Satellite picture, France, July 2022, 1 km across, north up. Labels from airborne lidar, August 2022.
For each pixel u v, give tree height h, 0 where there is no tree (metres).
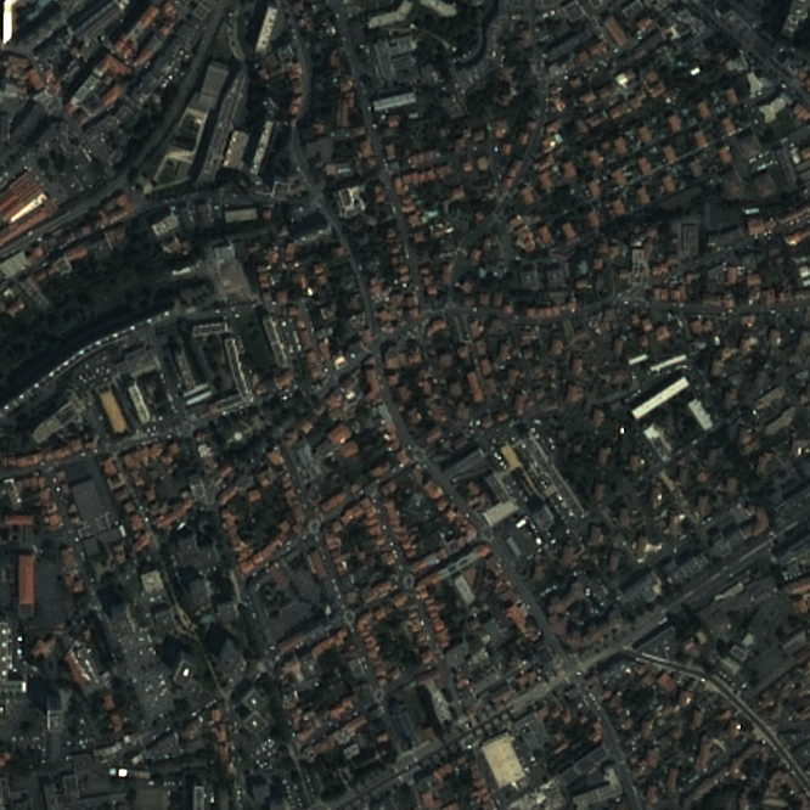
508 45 6
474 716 8
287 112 7
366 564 0
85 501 0
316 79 7
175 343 8
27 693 0
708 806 16
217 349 9
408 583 0
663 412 12
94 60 10
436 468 0
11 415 8
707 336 5
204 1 0
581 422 0
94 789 0
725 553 7
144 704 0
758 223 0
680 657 8
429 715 12
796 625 7
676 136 6
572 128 11
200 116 0
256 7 0
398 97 0
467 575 0
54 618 0
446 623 7
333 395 0
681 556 0
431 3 0
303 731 0
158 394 10
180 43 0
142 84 0
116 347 9
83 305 16
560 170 8
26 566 0
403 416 6
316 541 0
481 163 0
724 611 0
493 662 0
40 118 9
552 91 0
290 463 0
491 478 0
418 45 11
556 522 10
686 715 6
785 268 7
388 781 0
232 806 9
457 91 0
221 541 7
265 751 0
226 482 11
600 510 0
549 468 0
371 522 0
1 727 0
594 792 0
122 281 0
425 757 0
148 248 17
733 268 0
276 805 0
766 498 10
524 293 14
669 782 0
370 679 0
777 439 0
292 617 0
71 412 0
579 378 0
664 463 0
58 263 0
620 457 9
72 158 8
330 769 8
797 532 7
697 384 8
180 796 9
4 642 0
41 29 0
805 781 0
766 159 0
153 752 0
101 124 0
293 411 7
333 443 0
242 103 0
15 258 0
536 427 0
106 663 11
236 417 13
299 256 8
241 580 0
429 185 7
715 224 0
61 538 0
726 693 0
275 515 7
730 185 0
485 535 0
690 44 0
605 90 0
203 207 0
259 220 9
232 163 0
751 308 0
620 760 0
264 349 0
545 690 0
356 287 6
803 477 7
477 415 0
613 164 6
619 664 0
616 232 7
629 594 0
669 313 6
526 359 6
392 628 14
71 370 6
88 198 0
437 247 9
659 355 6
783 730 0
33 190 0
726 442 11
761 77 0
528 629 0
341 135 0
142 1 12
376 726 9
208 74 0
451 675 0
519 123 7
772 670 0
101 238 0
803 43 19
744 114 9
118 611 0
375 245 6
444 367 5
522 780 0
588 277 8
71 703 9
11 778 7
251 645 9
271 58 0
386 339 0
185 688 0
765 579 0
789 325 6
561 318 0
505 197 0
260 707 0
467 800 7
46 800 0
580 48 5
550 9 0
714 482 7
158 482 6
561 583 9
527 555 0
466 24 9
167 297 15
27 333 13
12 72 0
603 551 10
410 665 10
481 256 6
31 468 0
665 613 0
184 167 0
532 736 0
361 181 7
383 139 6
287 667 0
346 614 0
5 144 7
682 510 0
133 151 14
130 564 10
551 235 7
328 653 6
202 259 6
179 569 0
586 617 12
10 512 12
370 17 0
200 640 6
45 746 0
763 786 7
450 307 0
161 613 0
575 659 0
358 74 0
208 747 8
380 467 0
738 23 0
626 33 8
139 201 0
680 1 0
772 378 8
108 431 9
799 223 0
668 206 0
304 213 0
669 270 5
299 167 0
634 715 7
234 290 0
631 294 0
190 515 12
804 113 0
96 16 0
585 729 8
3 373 18
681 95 6
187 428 0
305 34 16
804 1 0
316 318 10
